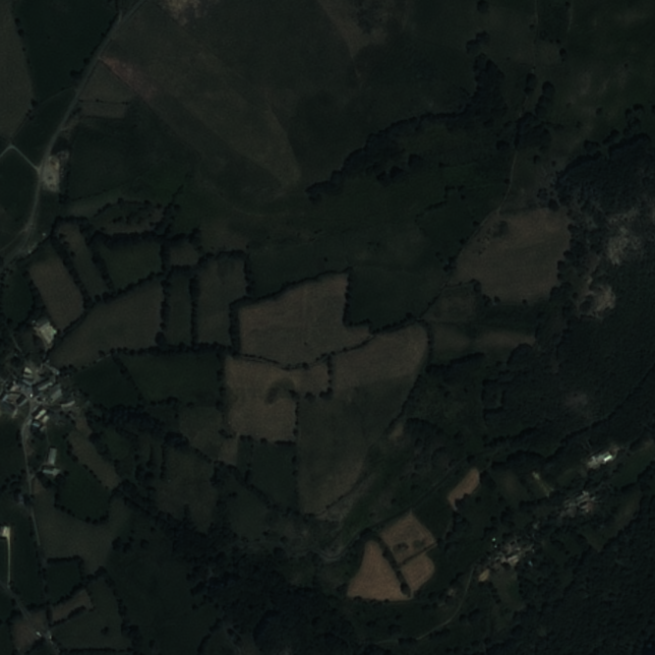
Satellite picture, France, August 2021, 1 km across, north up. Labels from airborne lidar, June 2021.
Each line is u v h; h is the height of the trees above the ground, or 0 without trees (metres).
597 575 17
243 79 0
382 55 0
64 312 0
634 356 21
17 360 10
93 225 7
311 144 0
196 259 0
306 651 16
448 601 13
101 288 0
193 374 0
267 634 19
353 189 0
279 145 0
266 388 0
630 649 27
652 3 0
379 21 0
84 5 0
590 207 13
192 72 0
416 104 0
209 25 0
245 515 0
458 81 0
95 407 8
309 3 0
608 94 0
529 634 20
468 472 0
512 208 0
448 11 0
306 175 0
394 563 7
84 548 0
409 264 0
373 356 0
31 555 0
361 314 0
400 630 17
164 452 6
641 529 18
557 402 15
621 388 19
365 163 25
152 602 0
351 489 0
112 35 0
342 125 0
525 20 0
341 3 0
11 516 0
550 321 11
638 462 0
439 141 0
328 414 0
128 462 0
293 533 0
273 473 0
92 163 0
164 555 0
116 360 12
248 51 0
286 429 0
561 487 8
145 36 0
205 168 0
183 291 0
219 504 12
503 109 20
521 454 16
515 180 0
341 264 0
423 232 6
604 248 7
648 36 0
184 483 0
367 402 0
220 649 0
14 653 6
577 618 13
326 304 0
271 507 7
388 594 0
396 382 0
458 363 17
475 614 14
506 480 0
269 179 0
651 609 23
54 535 0
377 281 0
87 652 8
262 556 6
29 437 0
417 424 18
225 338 0
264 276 0
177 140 0
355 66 0
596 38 0
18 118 0
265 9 0
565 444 15
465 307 0
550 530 15
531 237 0
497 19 0
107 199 0
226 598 17
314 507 0
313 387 0
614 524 7
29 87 0
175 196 8
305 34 0
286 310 0
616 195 12
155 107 0
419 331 0
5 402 0
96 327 0
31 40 0
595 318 10
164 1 0
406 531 0
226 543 11
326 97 0
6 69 0
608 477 13
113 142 0
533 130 15
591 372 16
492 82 21
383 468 0
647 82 0
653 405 19
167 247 13
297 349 0
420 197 0
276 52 0
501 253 0
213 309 0
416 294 0
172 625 0
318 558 14
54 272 0
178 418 8
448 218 0
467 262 0
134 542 12
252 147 0
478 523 0
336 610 11
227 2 0
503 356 0
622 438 22
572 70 0
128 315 0
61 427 0
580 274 8
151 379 0
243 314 0
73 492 0
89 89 0
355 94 0
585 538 13
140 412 8
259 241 0
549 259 0
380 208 0
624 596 18
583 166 21
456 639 0
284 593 27
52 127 0
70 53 0
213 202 0
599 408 7
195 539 19
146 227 0
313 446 0
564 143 0
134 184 0
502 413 21
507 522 14
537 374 16
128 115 0
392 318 0
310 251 0
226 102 0
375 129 0
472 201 0
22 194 0
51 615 10
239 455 0
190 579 12
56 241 15
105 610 0
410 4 0
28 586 0
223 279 0
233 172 0
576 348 18
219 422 0
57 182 0
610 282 10
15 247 0
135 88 0
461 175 0
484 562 10
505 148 20
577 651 27
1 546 0
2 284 8
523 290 0
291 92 0
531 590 17
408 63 0
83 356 0
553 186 8
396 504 11
